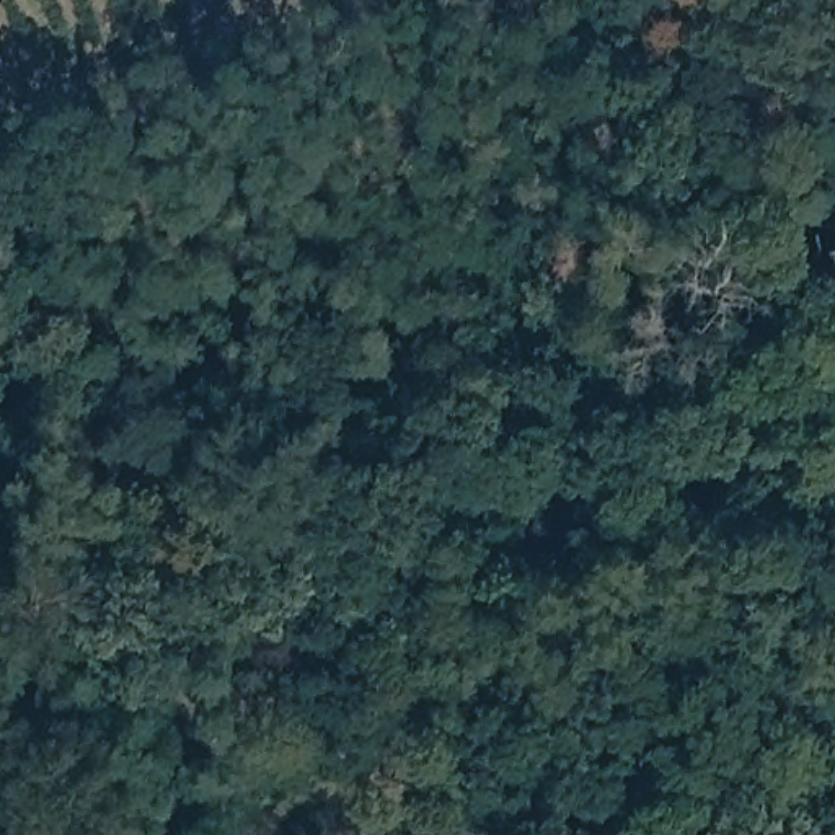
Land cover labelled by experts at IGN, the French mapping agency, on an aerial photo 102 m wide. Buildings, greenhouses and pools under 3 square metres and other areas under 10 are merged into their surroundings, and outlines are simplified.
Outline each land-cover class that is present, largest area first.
<instances>
[{"label":"deciduous trees","instance_id":"1","mask_svg":"<svg viewBox=\"0 0 835 835\"><path fill-rule=\"evenodd\" d=\"M0 7L7 13V29L26 36L36 29V23L16 7V0H0ZM46 13L42 29L59 36L65 49H75V36L65 29L62 7L55 0H36ZM75 33L85 36H98L91 0H72ZM111 39L124 46H130L140 16L160 20L166 13V3L160 0H108ZM496 0H398L391 13L362 16L352 23L339 10L323 7L320 0H303L284 16L281 26L271 29L264 20H241L235 26H219L215 39H209L205 49L173 42L176 55L160 62H140L124 78L85 75L72 78L65 88L36 91L29 104L16 108L3 121L7 140L0 144V401L10 385L42 375V411L36 424L39 431H46L42 447L29 466L42 486V509L36 522H16V587L0 590V835H274V822L287 815L294 806L310 802L316 793L342 799V812L352 825L336 835H571L568 819L607 822L626 796V776H633V770L646 763L659 773V806L633 815L630 828H623L620 835H835V277L809 271L806 228L822 225L835 209V0H708L711 16L701 29L688 36L685 49L688 59H708L705 78L685 91L682 104H675L669 98V75L659 72L646 82H633L610 75V62H616L620 52L633 42L636 23L649 10H669L675 3L691 7L695 0H538L541 20H532L525 33H509L486 20ZM753 85L783 95L789 104L809 108L815 127H783L780 134L750 144L747 114L734 104V98L740 91H750ZM411 98L424 101V121L418 127L421 144L408 153L398 147L395 111L408 108ZM721 225L731 232L727 251L721 258L724 274H731L734 284L750 287L753 297H773L783 303V339L770 342L763 352L753 356L750 369L737 372L734 365H727V349L734 339H744L747 329L734 320H705L691 326L682 342H669L665 352H656L649 359V382H669L678 391V404L685 411H659L656 421H649L646 411L639 414L597 408L587 395H581V388L597 378H613V339L620 336V329L633 326V313L626 310L630 281L623 277L620 264L626 261L639 274L652 277H675L698 245L705 251L718 248ZM300 238L336 241L342 251L339 267H313L307 258L294 251ZM584 241H597L600 248L590 261V300H597V310L594 320L577 326L574 320H564L554 310V300L561 297L577 264V245ZM228 300L248 303L258 320L254 336L238 346L228 336ZM91 307H98L101 316L114 323L121 336L114 346H88ZM525 326L548 329L545 359H554L558 352L577 356L568 369V378H554V372L541 375L538 369H515L512 375L486 372L483 378H453L440 404H434L424 414L404 418L401 444L391 447L388 463L375 470H359L349 463L329 466L326 473L313 470L316 453L326 444H339L346 418L362 414L369 404H378L398 385H418L421 372H437L447 362H457L466 349H496L499 336ZM212 342L228 362L251 365L245 388L271 391L261 411L228 401V391L212 382H196L199 401L192 408H160L147 421H130L104 447H91L85 440L82 424L104 404L108 388L114 395H127V401H144L153 388L160 391L173 385L176 375L189 362H199ZM502 408H532L545 414L548 424L512 434L502 427ZM290 411H313V414H316V424H313V427H310V431H307V434H300V437H297V440H294V437H290V434H287V431H284V418H287V414H290ZM95 460H101L104 466L127 463L134 470L153 473L163 479V493L137 499L127 489H91L88 470ZM705 479H721L727 489L724 506L711 519H705L691 502H685V486ZM528 532H541L551 545L545 551L548 561H541L535 571L522 545ZM254 643H281L320 656L316 675L281 678V714L248 718L245 695L232 691V665L248 659ZM26 682H39L36 708H68L75 714V721L68 724H49V740H33L26 721L3 727V721L10 718V705L23 695ZM176 708L189 714V721L196 724V737L205 747H212L205 773L199 767H186L183 760V744L173 721ZM649 46L656 52L675 49L678 23H656L649 33Z\"/></svg>","mask_w":835,"mask_h":835},{"label":"herbaceous vegetation","instance_id":"2","mask_svg":"<svg viewBox=\"0 0 835 835\"><path fill-rule=\"evenodd\" d=\"M62 7L65 29L75 36V49H65L59 36L42 29L46 13L36 0H16V7L36 23V29L26 36L7 29V13L0 7V144L7 140L3 121L16 108L29 104L36 91L65 88L72 78L85 75L124 78L140 62H160L176 55L173 42L205 49L209 39H215L219 26H235L241 20L232 13V0H160L166 3V13L160 20L140 16L130 46H124L111 39L108 0H91L98 36H85L75 33L72 0H55ZM323 7L339 10L352 23L362 16L391 13L398 0H320ZM486 20L509 33H525L532 20H541L538 0H496ZM711 16L708 0H695L691 7L675 3L669 10H649L636 23L633 42L620 52L616 62H610V75L633 82H646L659 72L669 75V98L675 104H682L685 91L705 78L708 59H688L685 49L688 36L701 29ZM656 23H678L675 49L656 52L649 46V33ZM734 104L747 114L750 144L780 134L783 127H815L809 108L789 104L783 95L753 85L750 91H740L734 98ZM424 121V101L411 98L408 108L395 111L398 147L408 153L421 144L418 127ZM809 271L835 277V209L822 225L806 228ZM731 232L721 225L718 248L705 251L698 245L675 277H652L639 274L626 261L620 264L623 277L630 281L626 310L633 313V326L620 329V336L613 339V378H597L581 388V395H587L597 408L639 414L646 411L649 421H656L659 411H685L678 404V391L669 382H649V359L656 352H665L669 342H682L691 326L705 320H734L747 329L744 339H734L727 349V365H734L737 372L750 369L753 356L763 352L770 342L783 339V303L773 297H753L750 287L734 284L731 274H724L721 258L727 251ZM294 251L307 258L313 267H339L342 251L336 241L300 238ZM600 248L597 241H584L577 245V264L561 297L554 300V310L564 320H574L577 326L594 320L597 310V300H590V261ZM228 336L238 346L254 336L258 320L248 303L228 300ZM121 336L114 323L101 316L98 307H91L88 346H114ZM548 329L525 326L499 336L496 349H466L457 362H447L437 372H421L418 385H398L378 404H369L362 414L346 418L339 444H326L316 453L313 470L326 473L329 466L349 463L359 470H375L388 463L391 447L401 444L404 418L424 414L434 404H440L453 378H483L486 372L512 375L515 369H538L541 375L554 372V378H568V369L577 356L558 352L554 359H545ZM251 365L228 362L212 342L199 362H189L176 375L173 385L160 391L153 388L144 401H127V395H114L108 388L104 404L82 424L85 440L91 447H104L130 421H147L160 408H192L199 401L196 382H212L228 391V401L261 411L271 391L245 388ZM42 375L10 385L0 401V590L16 587V522H36L42 509V486L29 466L42 447L46 431H39L36 424L42 411ZM548 424L545 414L532 408H502V427L512 434ZM313 424H316V414H313V411H290V414H287V418H284V431H287V434H290V437H294V440H297V437H300V434H307V431H310V427H313ZM91 489H127L137 499L163 493V479L153 473L134 470L127 463L104 466L101 460H95L88 470ZM727 489L721 479H705L685 486V502H691L705 519H711L724 506ZM522 545L535 571L541 561H548L545 551L551 545L541 532H528ZM320 656L281 643H254L248 659L232 665V691L245 695L248 718L281 714V678L316 675ZM39 682H26L23 695L10 705V718L3 721V727L26 721L33 740H49V724H68L75 721V714L68 708H36ZM173 721L183 744V760L186 767H199L205 773L212 747H205L196 737V724L189 721V714L176 708ZM659 806V773L646 763L633 770V776H626V796L607 822L568 819L571 835H620L623 828H630L633 815ZM352 825L342 812V799L316 793L310 802L294 806L287 815L274 822V835H336Z\"/></svg>","mask_w":835,"mask_h":835},{"label":"pervious surface","instance_id":"3","mask_svg":"<svg viewBox=\"0 0 835 835\"><path fill-rule=\"evenodd\" d=\"M303 0H232V13L241 20H264L271 29L281 26L284 16Z\"/></svg>","mask_w":835,"mask_h":835}]
</instances>
